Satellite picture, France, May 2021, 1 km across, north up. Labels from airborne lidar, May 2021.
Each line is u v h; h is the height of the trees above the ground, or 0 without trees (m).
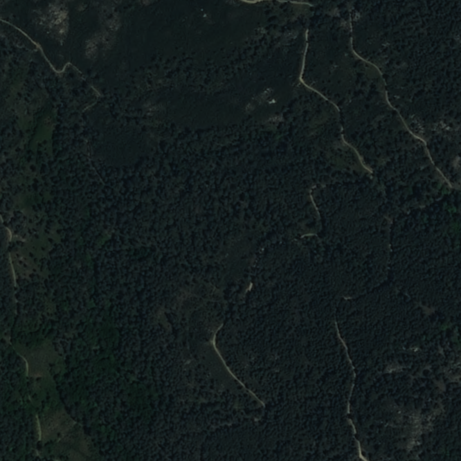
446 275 19
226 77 26
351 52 6
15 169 26
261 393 20
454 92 20
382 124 16
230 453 13
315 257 25
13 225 22
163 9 6
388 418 6
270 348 14
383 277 31
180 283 33
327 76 6
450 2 23
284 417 22
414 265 21
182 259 31
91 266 21
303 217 30
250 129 23
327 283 19
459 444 26
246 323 18
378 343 18
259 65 6
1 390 26
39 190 38
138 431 33
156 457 33
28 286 27
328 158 21
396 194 27
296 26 6
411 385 24
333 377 24
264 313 18
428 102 20
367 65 8
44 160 32
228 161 26
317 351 11
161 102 7
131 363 30
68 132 34
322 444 17
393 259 22
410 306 32
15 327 23
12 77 7
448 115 15
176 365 25
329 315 16
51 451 19
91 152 19
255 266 0
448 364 16
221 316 12
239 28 7
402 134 15
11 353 16
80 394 28
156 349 30
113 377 24
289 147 24
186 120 5
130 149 6
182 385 27
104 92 19
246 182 15
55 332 35
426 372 9
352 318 20
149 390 28
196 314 6
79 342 29
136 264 33
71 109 27
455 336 18
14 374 32
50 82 27
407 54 6
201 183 25
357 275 37
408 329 16
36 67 30
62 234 26
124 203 32
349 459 14
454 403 12
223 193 30
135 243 34
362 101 7
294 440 17
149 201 28
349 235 28
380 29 6
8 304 35
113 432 26
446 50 15
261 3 9
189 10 5
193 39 6
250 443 27
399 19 13
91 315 24
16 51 29
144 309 35
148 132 25
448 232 21
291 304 10
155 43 7
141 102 6
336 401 14
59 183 41
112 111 8
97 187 32
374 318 23
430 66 14
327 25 23
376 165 23
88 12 8
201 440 23
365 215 19
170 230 26
